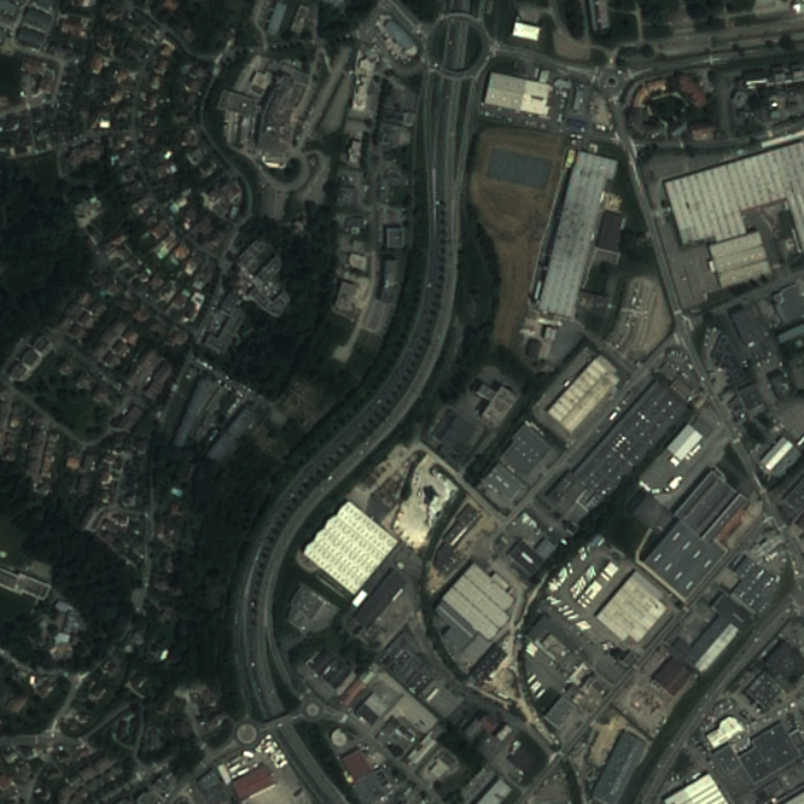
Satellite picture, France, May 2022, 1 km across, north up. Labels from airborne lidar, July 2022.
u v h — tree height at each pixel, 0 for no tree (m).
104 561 23
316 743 8
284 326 20
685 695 0
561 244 0
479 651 0
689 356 0
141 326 8
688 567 0
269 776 0
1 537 0
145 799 0
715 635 0
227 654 10
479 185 0
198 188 8
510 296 0
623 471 0
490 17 0
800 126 0
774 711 0
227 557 11
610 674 0
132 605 12
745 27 0
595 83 0
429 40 0
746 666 0
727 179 0
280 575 0
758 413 0
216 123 0
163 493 7
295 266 15
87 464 0
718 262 0
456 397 11
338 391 15
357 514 0
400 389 7
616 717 0
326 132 0
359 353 7
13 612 0
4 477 10
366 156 9
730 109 0
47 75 0
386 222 0
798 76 0
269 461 8
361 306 0
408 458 0
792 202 0
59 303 25
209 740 0
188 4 15
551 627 0
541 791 0
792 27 0
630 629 0
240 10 0
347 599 0
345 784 8
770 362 0
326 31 20
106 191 12
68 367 0
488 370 0
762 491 0
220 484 19
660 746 0
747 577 0
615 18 0
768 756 0
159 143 5
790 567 0
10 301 27
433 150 0
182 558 17
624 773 0
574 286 0
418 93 6
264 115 0
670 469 0
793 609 0
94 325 7
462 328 0
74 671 13
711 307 0
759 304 0
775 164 0
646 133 0
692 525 0
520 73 0
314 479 7
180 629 16
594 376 0
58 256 27
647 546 0
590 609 0
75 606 11
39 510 9
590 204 0
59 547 20
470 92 0
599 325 0
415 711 0
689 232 0
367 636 0
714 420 0
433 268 0
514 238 0
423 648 0
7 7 0
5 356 28
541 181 0
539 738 0
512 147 0
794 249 0
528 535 0
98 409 9
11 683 14
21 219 0
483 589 0
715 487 0
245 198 9
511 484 0
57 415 11
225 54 0
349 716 0
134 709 14
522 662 10
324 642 0
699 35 0
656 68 0
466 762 0
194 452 18
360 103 0
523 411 7
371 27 0
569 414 0
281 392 7
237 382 10
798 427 0
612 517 13
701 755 0
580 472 0
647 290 0
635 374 0
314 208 15
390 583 0
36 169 0
